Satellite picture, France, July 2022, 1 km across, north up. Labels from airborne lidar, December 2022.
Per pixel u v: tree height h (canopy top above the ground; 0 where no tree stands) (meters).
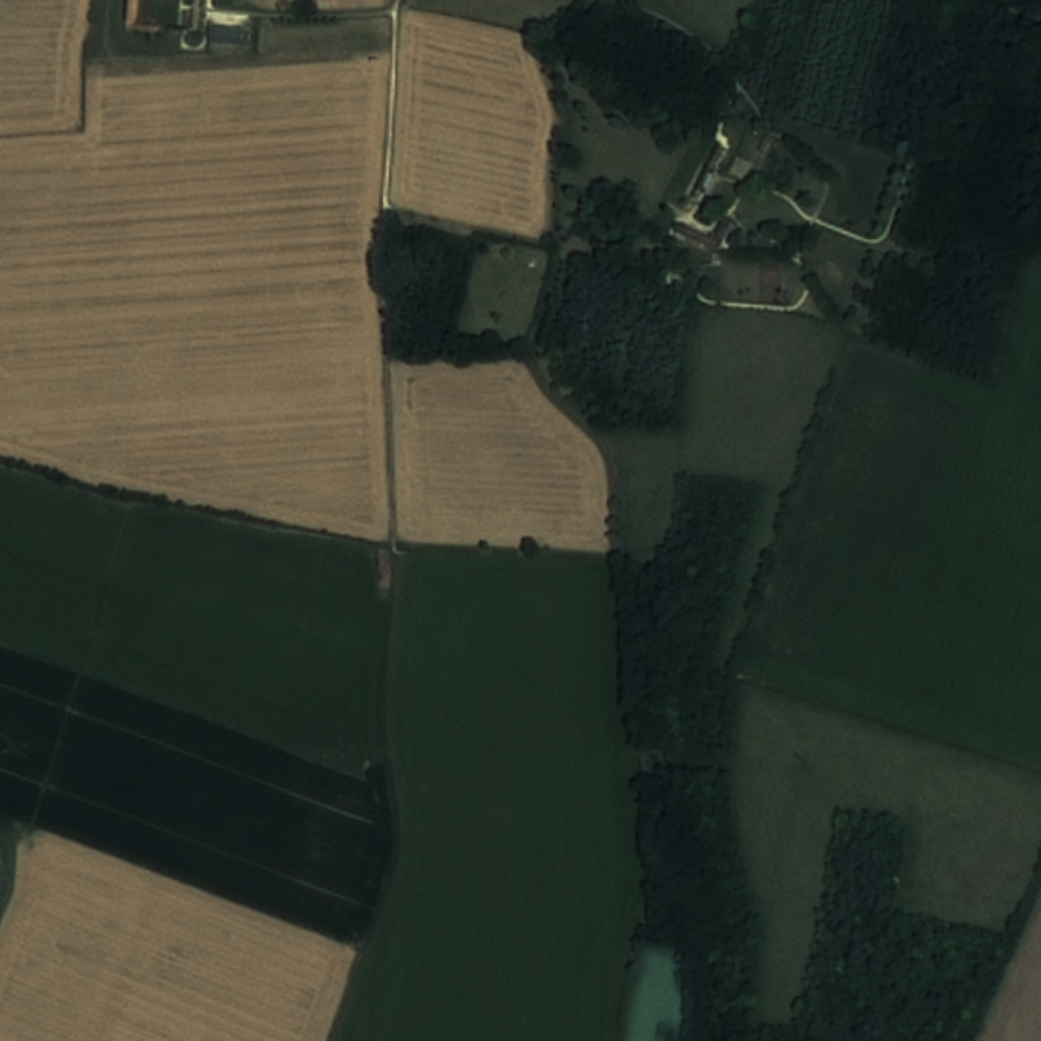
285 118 0
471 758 0
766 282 0
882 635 0
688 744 7
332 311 0
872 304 9
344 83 0
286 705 0
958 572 0
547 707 0
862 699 0
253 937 0
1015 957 9
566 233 22
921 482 0
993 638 0
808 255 12
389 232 27
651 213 0
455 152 0
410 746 0
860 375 0
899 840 15
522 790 0
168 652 0
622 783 0
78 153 0
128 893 0
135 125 0
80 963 0
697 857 27
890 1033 6
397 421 0
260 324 0
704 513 7
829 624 0
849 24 11
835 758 0
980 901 0
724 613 14
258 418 0
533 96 0
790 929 0
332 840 0
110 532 0
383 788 0
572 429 0
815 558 0
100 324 0
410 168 0
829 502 0
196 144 0
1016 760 0
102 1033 0
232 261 0
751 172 0
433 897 0
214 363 0
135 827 0
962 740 0
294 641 0
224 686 0
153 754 0
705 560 8
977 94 17
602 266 16
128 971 0
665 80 21
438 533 0
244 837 0
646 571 7
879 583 0
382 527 0
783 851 0
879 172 0
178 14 0
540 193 0
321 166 0
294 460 0
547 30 26
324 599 0
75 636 0
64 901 0
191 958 0
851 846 17
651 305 11
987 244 17
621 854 0
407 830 0
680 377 11
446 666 0
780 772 0
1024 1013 0
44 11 0
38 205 0
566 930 0
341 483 0
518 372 0
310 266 0
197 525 0
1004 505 0
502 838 0
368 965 0
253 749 0
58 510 0
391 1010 0
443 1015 0
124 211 0
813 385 0
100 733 0
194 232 0
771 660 0
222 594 0
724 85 18
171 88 0
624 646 14
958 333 17
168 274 0
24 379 0
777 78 16
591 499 0
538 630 0
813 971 10
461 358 21
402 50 0
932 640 0
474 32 0
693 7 0
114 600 0
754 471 0
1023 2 18
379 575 0
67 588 0
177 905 0
